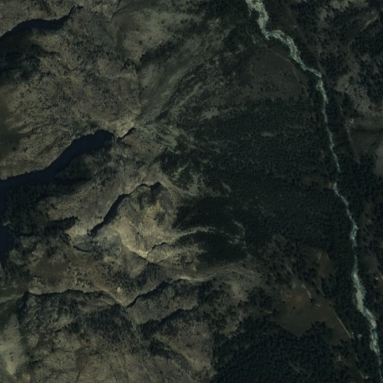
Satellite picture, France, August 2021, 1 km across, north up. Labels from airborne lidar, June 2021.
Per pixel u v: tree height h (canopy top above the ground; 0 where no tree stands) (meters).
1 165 0
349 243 7
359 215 20
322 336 13
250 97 6
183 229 6
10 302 0
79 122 0
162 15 0
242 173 13
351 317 22
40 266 0
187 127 7
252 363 22
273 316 8
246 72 0
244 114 7
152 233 0
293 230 14
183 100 0
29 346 0
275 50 0
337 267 10
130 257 0
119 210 0
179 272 0
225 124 8
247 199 9
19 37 5
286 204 8
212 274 0
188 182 6
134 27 0
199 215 6
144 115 0
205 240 8
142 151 0
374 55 15
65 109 8
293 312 0
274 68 0
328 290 24
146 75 0
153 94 0
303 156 17
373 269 0
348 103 18
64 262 0
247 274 0
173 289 22
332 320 0
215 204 8
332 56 13
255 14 9
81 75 0
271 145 10
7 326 0
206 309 0
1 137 0
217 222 8
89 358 0
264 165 12
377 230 8
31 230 11
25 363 0
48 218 11
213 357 7
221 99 0
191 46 0
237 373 25
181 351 0
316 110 14
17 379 0
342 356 7
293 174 11
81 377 0
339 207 14
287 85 0
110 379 0
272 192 10
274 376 20
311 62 10
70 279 0
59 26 6
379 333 19
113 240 0
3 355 0
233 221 6
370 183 18
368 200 20
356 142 0
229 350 20
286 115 10
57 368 0
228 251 9
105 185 7
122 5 0
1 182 0
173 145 0
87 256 0
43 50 8
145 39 0
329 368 20
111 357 0
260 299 8
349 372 20
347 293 25
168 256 0
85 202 0
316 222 13
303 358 24
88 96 0
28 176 0
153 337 9
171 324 7
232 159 11
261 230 7
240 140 8
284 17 0
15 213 10
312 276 13
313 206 15
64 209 0
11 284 0
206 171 8
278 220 10
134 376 0
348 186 12
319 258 0
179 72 0
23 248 8
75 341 0
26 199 5
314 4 16
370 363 12
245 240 9
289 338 10
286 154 13
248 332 9
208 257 8
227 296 9
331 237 28
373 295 16
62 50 0
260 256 8
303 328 0
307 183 0
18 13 0
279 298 0
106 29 9
